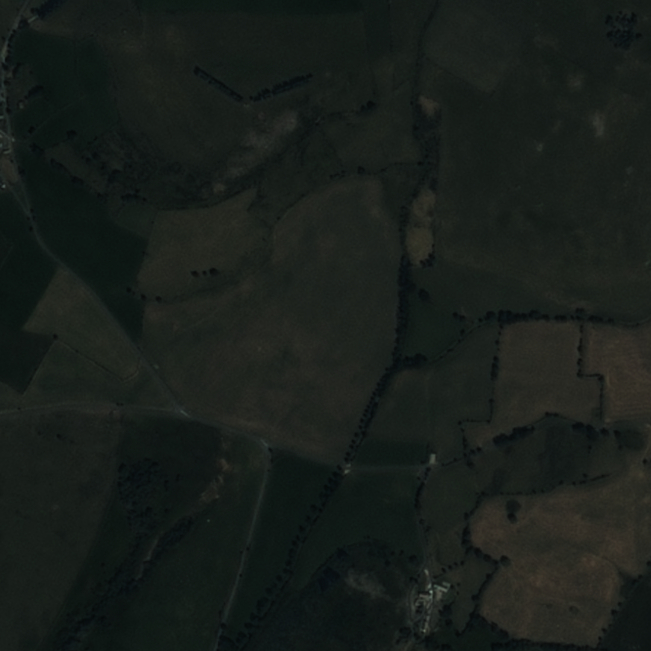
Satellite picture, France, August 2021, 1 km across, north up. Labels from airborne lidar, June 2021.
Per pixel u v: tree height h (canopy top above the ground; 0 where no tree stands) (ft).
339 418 0
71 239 0
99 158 34
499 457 0
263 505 0
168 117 0
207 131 0
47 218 0
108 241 0
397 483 0
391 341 0
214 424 0
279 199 0
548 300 0
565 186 0
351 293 0
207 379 0
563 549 0
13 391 0
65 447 0
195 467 0
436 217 0
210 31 0
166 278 0
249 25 0
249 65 0
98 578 0
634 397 0
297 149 0
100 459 0
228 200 0
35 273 0
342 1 0
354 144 0
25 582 0
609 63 0
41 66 0
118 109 0
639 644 0
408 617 0
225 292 0
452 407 0
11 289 0
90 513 0
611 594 0
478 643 0
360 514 0
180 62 0
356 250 0
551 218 0
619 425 0
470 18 0
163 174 0
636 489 0
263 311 0
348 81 0
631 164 0
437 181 0
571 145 0
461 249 0
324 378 0
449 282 0
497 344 27
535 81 0
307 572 0
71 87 0
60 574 0
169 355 0
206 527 0
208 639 0
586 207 0
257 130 0
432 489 0
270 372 0
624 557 0
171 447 0
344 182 0
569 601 0
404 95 0
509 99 0
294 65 0
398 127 0
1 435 0
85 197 0
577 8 0
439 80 0
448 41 0
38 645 0
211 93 0
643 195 0
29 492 0
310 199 0
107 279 0
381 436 0
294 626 0
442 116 0
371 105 46
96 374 0
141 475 42
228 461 0
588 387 0
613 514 0
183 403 0
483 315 0
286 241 0
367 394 0
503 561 39
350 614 0
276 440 0
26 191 0
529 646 37
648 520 0
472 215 0
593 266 0
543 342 0
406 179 0
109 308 0
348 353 0
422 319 0
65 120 0
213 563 0
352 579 0
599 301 0
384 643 0
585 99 0
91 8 0
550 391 0
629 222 0
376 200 0
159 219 0
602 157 0
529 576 0
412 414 0
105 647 0
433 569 0
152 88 0
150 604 0
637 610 0
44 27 0
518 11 0
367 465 0
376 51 0
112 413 0
